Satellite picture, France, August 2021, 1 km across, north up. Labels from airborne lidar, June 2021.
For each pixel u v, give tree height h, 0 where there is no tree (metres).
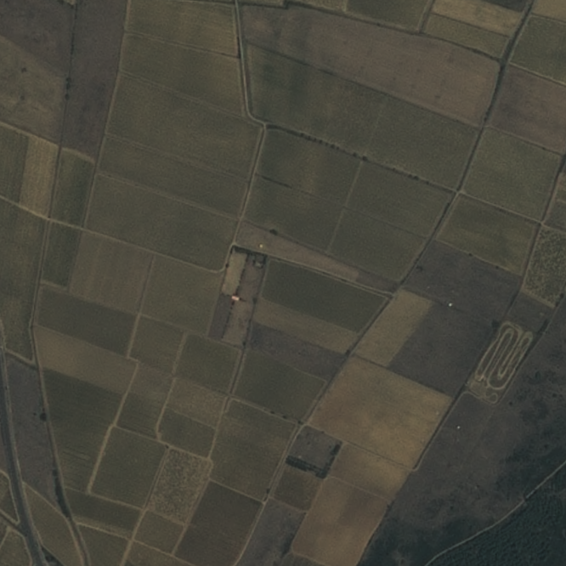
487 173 0
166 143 0
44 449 0
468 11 0
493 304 0
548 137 0
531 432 0
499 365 0
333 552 0
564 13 0
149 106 0
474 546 8
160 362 0
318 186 0
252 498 0
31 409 0
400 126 0
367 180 0
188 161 0
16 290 0
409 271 0
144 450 0
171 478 0
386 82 0
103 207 0
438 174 0
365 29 0
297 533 0
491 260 0
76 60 0
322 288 0
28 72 0
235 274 0
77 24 0
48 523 0
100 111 0
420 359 0
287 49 0
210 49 0
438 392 0
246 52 0
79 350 0
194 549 0
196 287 0
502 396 0
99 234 0
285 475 0
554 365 0
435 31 0
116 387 0
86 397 0
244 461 0
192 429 0
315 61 0
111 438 0
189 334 0
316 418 0
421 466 0
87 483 0
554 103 0
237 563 0
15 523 0
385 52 0
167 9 0
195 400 0
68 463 0
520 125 0
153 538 0
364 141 0
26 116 0
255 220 0
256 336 0
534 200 0
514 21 0
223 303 0
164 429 0
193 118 0
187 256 0
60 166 0
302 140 0
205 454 0
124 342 0
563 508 9
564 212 0
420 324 0
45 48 0
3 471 0
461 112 0
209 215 0
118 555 0
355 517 0
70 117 0
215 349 0
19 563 0
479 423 0
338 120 0
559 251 0
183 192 0
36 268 0
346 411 0
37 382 0
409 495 0
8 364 0
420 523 0
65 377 0
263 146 0
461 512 0
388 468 0
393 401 0
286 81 0
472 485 0
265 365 0
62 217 0
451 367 0
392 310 0
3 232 0
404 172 0
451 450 0
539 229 0
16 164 0
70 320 0
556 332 0
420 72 0
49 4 0
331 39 0
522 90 0
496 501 0
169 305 0
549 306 0
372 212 0
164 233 0
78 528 0
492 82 0
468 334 0
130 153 0
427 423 0
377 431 0
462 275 0
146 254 0
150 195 0
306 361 0
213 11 0
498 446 0
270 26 0
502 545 8
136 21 0
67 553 0
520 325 0
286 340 0
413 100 0
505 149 0
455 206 0
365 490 0
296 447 0
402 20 0
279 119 0
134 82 0
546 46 0
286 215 0
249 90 0
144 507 0
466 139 0
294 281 0
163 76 0
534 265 0
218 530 0
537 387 0
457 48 0
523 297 0
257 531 0
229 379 0
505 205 0
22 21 0
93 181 0
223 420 0
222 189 0
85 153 0
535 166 0
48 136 0
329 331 0
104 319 0
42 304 0
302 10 0
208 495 0
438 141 0
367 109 0
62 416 0
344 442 0
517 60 0
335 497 0
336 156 0
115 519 0
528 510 7
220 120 0
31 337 0
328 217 0
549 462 0
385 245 0
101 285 0
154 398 0
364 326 0
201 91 0
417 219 0
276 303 0
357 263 0
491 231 0
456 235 0
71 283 0
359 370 0
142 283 0
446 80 0
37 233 0
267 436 0
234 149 0
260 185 0
